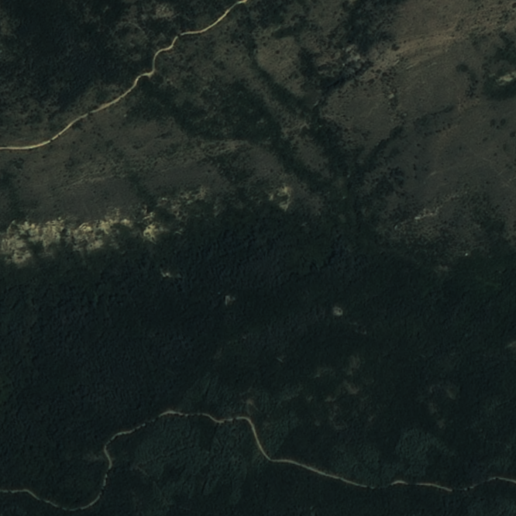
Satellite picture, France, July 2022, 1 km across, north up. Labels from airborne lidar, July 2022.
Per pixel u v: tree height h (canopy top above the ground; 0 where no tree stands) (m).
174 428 12
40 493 10
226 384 6
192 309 9
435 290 10
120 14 9
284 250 16
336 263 9
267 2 10
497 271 11
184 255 7
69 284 6
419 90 0
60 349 12
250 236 6
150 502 8
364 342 9
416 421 9
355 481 11
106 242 0
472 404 10
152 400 6
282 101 7
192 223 6
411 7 0
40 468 7
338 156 6
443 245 6
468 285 8
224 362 9
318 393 11
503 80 0
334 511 10
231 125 7
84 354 8
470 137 0
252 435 7
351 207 6
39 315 8
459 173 0
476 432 7
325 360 7
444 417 6
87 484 5
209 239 6
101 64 10
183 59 8
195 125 6
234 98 6
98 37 11
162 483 8
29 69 11
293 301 8
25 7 9
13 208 6
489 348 7
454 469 9
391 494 9
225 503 7
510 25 0
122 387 12
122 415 11
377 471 8
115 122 0
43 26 8
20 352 17
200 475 7
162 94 8
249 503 9
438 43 0
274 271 21
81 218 0
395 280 7
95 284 8
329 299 6
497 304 7
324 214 9
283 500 10
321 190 9
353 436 14
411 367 9
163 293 9
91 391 8
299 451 10
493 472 10
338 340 10
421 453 8
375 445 8
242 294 8
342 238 11
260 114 8
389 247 8
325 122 10
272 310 9
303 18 9
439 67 0
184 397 7
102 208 0
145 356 11
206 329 9
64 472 11
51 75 6
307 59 7
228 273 14
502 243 6
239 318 9
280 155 7
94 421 7
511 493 7
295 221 8
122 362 10
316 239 9
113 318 9
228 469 9
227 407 8
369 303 10
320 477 6
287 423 11
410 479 7
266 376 9
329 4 0
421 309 10
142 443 7
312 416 9
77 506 9
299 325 16
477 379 8
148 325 8
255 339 10
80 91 10
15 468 14
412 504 9
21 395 12
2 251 0
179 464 14
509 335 6
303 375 8
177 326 10
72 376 8
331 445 8
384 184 7
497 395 7
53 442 6
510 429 6
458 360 9
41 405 7
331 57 6
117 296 12
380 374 11
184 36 6
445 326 10
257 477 9
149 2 6
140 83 9
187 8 6
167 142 0
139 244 7
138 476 6
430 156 0
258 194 7
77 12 6
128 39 0
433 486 7
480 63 0
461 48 0
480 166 0
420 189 0
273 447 12
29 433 13
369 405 6
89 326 14
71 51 7
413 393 9
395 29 0
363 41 6
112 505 7
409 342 14
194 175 0
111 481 11
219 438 12
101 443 8
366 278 7
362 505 10
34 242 0
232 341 6
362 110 0
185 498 10
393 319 8
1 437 12
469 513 12
